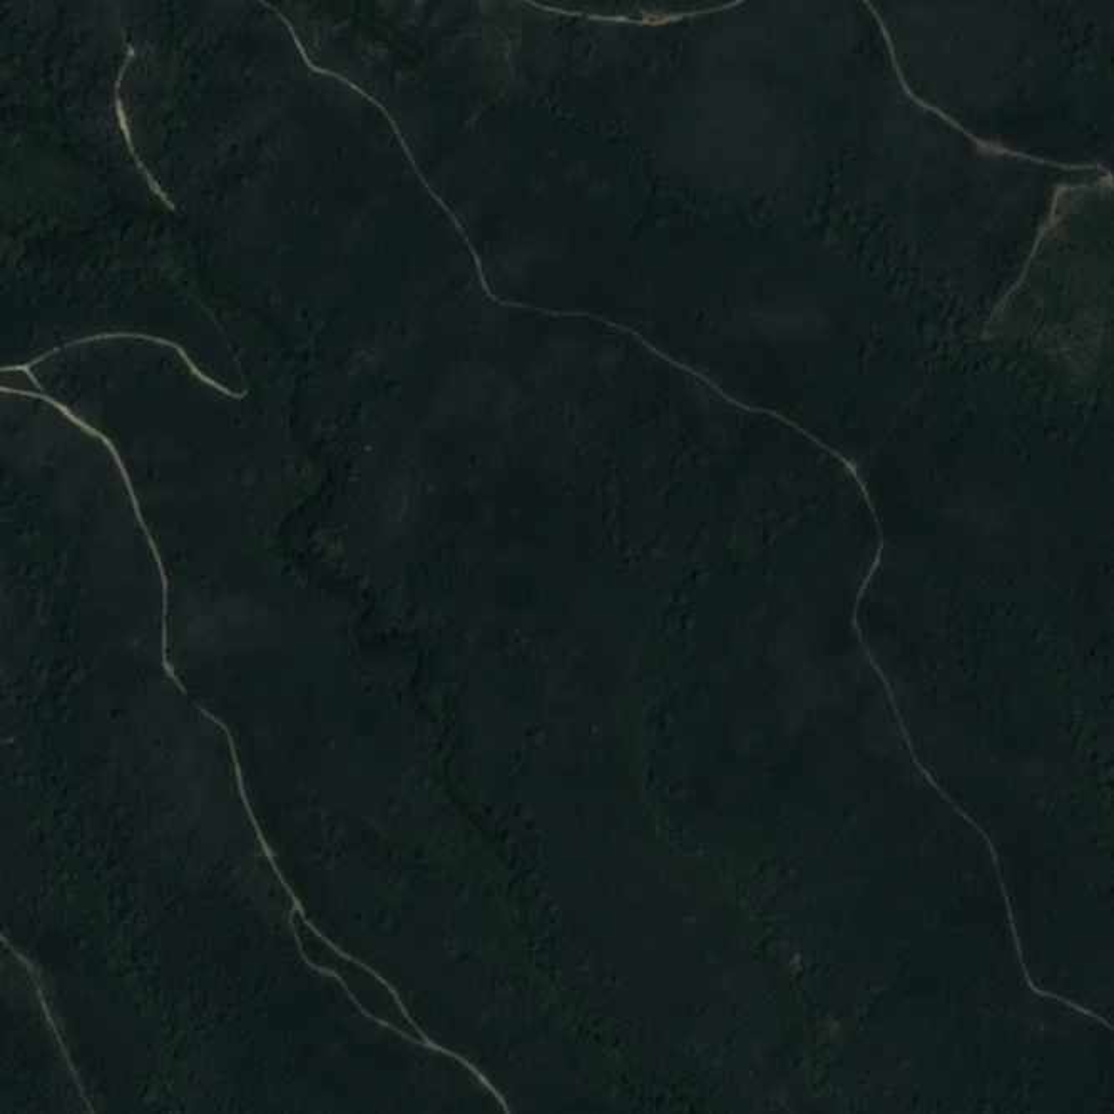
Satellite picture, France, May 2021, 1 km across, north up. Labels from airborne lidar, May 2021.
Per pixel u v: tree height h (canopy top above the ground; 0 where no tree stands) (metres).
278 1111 11
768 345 6
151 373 8
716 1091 6
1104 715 13
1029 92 11
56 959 6
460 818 6
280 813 8
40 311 6
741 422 7
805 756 6
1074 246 6
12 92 15
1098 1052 6
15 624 6
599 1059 8
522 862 8
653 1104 9
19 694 12
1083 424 6
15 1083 9
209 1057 10
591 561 5
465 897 11
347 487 6
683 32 8
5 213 10
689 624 12
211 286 13
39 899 8
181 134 7
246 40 6
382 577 6
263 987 12
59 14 6
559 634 9
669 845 7
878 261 14
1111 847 6
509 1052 9
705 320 11
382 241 6
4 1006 6
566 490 8
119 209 14
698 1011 8
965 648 7
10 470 10
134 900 12
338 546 10
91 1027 6
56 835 11
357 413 9
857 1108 5
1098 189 0
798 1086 6
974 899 6
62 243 14
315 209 10
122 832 11
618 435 6
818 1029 6
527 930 8
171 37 6
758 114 0
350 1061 6
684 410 6
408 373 5
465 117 9
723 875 6
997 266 9
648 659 6
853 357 6
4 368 0
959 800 5
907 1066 8
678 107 0
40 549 6
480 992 8
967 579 6
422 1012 6
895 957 7
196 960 8
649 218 6
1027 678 6
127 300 6
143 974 6
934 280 7
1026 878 6
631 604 5
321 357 5
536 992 6
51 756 6
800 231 5
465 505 7
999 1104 11
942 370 6
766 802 6
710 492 6
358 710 6
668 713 10
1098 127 7
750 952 6
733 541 13
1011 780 6
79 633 8
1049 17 10
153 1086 6
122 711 11
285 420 7
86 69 6
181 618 0
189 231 14
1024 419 6
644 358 6
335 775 7
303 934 7
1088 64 14
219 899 5
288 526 15
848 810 7
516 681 6
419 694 16
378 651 13
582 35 7
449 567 6
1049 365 6
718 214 7
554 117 6
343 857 10
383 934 6
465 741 5
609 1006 6
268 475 9
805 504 10
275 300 10
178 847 6
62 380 12
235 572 6
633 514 5
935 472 8
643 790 6
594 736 5
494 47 0
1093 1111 6
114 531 0
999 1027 8
